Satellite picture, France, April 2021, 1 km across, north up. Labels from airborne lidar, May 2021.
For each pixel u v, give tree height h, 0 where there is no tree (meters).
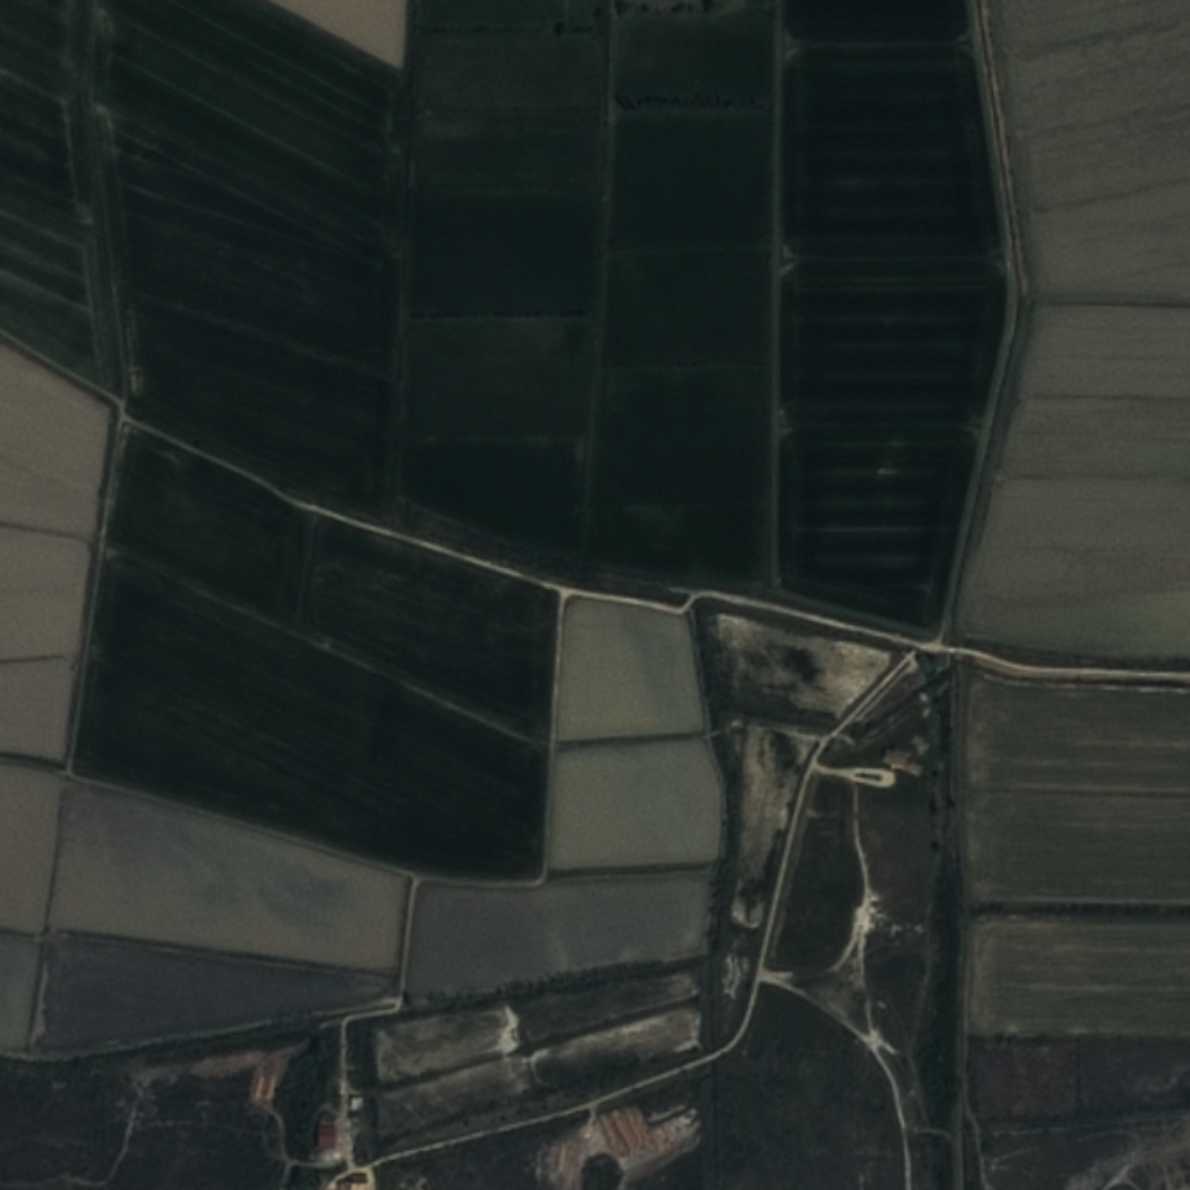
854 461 0
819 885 0
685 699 0
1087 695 0
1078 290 0
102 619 0
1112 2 0
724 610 0
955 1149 0
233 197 0
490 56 0
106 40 0
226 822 0
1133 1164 0
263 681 0
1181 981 0
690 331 0
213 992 0
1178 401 0
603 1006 0
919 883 0
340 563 0
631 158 0
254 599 0
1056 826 0
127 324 0
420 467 0
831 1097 0
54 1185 0
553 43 0
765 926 0
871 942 0
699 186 0
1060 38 0
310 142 0
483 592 0
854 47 0
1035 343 0
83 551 0
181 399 0
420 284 0
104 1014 0
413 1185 0
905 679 0
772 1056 0
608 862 0
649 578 0
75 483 0
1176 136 0
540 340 0
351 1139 0
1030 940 0
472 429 0
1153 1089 0
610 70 0
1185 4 0
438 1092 0
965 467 0
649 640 0
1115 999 0
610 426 0
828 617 0
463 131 0
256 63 0
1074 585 0
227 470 0
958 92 0
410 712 0
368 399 0
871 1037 0
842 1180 0
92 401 0
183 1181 0
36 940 0
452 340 0
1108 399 0
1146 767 0
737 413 0
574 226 0
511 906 0
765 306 0
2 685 0
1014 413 0
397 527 0
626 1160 0
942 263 0
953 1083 8
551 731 0
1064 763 0
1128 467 0
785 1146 0
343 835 0
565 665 0
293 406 0
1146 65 0
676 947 0
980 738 0
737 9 0
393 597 0
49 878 0
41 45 0
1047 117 0
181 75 0
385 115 0
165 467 0
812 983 0
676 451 0
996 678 0
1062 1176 0
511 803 0
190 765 0
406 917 0
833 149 0
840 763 0
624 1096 0
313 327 0
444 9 0
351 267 0
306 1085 7
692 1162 0
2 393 0
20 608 0
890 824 0
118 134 0
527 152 0
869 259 0
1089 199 0
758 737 0
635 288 0
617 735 0
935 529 0
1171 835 0
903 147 0
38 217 0
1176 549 0
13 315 0
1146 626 0
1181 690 0
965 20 0
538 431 0
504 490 0
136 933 0
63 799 0
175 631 0
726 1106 0
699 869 0
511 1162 0
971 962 0
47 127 0
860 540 0
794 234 0
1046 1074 0
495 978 0
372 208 0
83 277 0
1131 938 0
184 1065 0
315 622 0
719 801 0
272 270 0
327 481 0
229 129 0
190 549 0
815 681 0
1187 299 0
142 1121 0
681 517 0
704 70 0
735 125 0
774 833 0
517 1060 0
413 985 0
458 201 0
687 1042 0
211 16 0
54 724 0
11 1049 0
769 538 0
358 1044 7
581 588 0
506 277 0
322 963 0
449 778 0
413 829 0
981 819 0
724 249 0
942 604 0
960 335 0
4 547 0
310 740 0
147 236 0
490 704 0
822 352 0
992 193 0
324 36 0
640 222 0
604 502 0
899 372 0
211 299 0
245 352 0
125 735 0
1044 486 0
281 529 0
